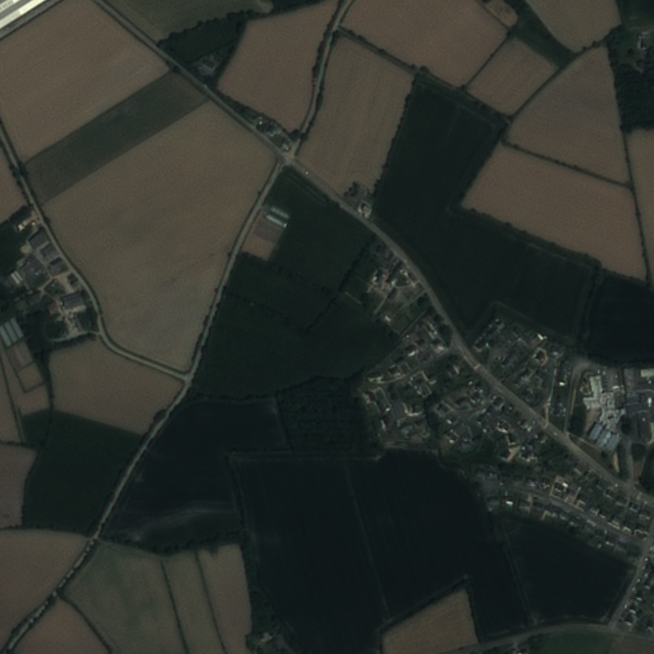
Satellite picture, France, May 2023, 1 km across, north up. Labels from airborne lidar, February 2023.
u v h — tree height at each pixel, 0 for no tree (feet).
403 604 0
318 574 0
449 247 0
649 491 40
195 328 0
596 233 0
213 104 0
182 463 0
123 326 0
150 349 0
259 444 0
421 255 0
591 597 0
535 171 0
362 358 0
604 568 0
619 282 0
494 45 0
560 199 0
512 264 0
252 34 0
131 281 0
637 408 0
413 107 0
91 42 0
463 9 0
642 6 0
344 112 0
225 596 0
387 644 0
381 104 0
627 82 29
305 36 0
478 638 31
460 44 0
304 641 0
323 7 0
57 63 0
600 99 0
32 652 0
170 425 0
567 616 0
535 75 0
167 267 0
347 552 0
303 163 0
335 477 0
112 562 0
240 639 0
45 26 0
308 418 48
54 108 0
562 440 0
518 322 0
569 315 0
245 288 0
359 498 0
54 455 0
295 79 0
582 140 0
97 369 0
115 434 0
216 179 0
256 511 0
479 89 0
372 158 0
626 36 60
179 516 0
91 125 0
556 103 0
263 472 0
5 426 0
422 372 0
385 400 0
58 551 0
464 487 0
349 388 37
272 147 0
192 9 0
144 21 0
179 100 0
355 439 49
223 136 0
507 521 0
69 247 0
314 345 0
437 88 0
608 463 0
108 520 20
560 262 0
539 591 0
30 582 0
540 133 0
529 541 0
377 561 0
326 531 0
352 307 0
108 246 0
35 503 0
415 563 0
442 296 0
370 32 0
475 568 0
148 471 0
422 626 0
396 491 0
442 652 0
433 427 42
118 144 0
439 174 0
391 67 0
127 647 0
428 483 0
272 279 0
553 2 0
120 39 0
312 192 0
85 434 0
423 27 0
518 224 0
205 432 0
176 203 0
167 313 0
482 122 0
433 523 0
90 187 0
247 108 22
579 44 0
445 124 0
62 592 22
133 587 0
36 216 0
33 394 0
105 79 0
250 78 0
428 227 0
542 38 0
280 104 0
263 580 0
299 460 0
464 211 0
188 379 0
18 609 0
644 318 0
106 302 0
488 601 0
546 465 34
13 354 0
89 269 0
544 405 0
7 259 0
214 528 0
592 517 0
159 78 0
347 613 0
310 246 0
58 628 0
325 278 0
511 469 25
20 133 0
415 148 0
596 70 0
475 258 0
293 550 0
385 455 0
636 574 0
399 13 0
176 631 0
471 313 0
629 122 30
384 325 19
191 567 0
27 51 0
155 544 0
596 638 0
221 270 0
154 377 0
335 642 0
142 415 0
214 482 0
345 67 0
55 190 0
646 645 0
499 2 0
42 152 0
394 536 0
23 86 0
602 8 0
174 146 0
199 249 0
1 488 0
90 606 0
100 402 0
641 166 0
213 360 0
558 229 0
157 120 0
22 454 0
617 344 0
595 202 0
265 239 0
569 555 0
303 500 0
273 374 0
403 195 0
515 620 0
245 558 24
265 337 0
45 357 31
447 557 0
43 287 0
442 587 0
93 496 0
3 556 0
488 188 0
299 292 0
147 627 0
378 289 0
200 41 0
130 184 0
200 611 0
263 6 0
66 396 0
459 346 0
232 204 0
